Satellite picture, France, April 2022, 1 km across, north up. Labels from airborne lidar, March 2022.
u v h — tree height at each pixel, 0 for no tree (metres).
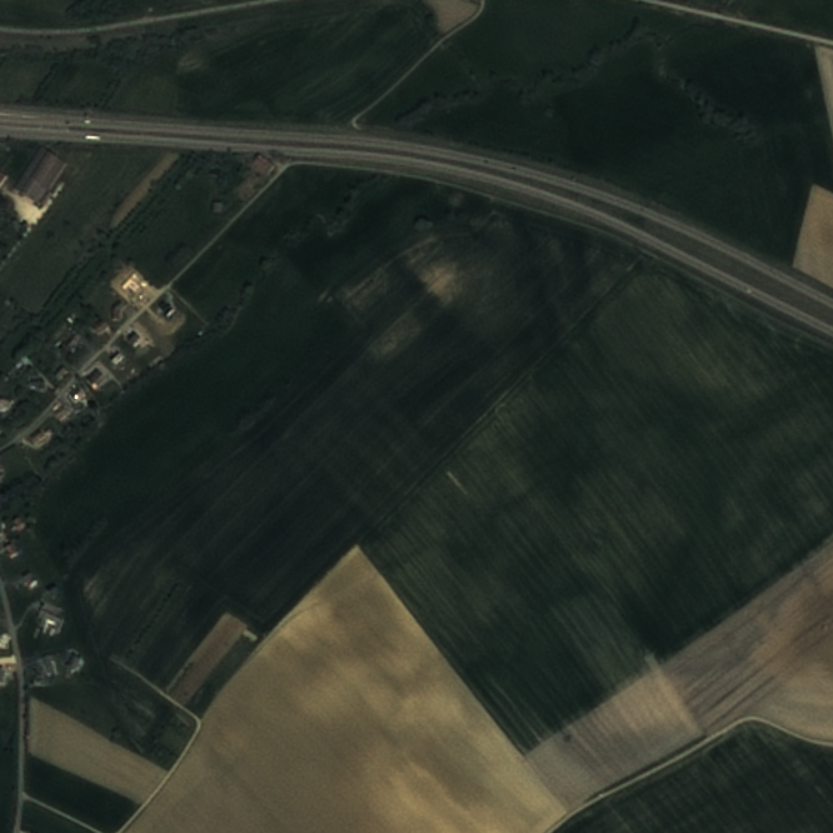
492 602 0
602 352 0
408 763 0
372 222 0
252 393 0
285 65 0
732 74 0
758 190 0
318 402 0
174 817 0
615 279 0
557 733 0
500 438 0
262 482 0
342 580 0
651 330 0
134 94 0
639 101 0
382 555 0
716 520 0
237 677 0
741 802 0
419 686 0
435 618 0
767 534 0
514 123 0
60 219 0
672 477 0
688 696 0
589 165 0
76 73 0
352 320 0
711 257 0
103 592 0
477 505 0
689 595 0
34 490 18
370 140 0
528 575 0
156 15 0
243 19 0
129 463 0
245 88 0
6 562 0
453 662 0
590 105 0
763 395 0
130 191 0
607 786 0
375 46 0
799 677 0
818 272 0
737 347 0
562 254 0
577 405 0
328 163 0
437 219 0
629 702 0
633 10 0
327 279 0
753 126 13
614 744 0
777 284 0
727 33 0
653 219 0
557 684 0
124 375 0
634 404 0
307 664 0
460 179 0
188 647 0
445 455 0
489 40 0
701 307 0
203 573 0
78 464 0
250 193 0
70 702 0
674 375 0
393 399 0
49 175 0
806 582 0
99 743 0
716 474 0
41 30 0
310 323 0
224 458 0
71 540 0
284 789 0
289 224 0
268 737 0
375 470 0
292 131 0
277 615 0
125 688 0
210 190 0
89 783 0
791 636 0
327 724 0
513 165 0
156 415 0
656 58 0
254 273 0
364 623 0
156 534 0
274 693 0
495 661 0
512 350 0
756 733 0
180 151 0
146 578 0
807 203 0
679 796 0
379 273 0
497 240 0
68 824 0
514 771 0
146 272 0
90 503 0
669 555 0
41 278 0
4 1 0
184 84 0
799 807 0
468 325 0
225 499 0
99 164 0
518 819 0
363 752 0
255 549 0
